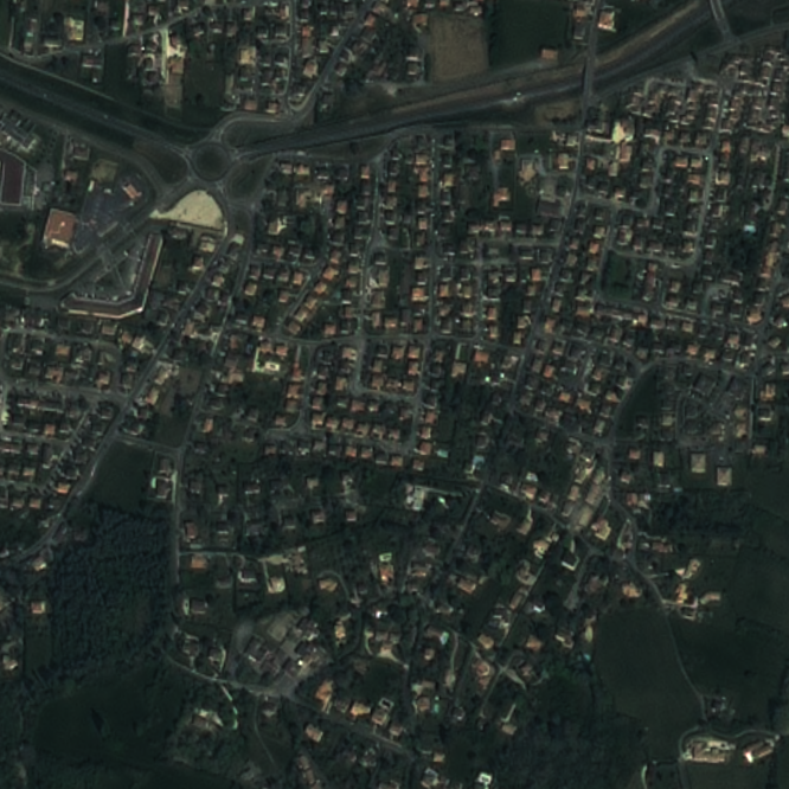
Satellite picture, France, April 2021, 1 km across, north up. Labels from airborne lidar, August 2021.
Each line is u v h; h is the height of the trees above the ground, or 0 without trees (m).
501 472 12
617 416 0
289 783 6
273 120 0
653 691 0
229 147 0
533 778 16
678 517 19
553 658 19
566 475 0
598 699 17
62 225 0
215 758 6
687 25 0
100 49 0
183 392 10
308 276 0
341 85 0
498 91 0
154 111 0
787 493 0
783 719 22
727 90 0
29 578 10
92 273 0
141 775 10
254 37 7
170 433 0
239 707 12
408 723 19
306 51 0
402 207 8
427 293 0
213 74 0
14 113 7
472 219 7
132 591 6
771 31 0
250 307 15
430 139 6
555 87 0
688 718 0
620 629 0
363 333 0
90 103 0
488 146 10
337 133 0
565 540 16
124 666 9
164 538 15
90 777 7
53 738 0
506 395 9
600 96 0
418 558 6
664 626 0
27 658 6
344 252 7
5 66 0
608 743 7
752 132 8
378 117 0
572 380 0
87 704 0
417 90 0
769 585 0
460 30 0
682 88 0
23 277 0
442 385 10
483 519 8
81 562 12
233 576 8
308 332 6
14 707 10
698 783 0
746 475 0
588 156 6
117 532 15
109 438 0
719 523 6
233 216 0
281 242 10
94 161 0
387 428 5
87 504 6
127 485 0
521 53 0
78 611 8
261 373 0
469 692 6
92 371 7
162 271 0
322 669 8
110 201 0
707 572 0
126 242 0
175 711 0
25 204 0
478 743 11
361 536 5
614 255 11
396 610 10
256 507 8
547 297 0
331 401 13
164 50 0
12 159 0
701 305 0
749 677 7
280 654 0
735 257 12
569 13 6
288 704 11
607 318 7
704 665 0
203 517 13
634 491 7
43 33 8
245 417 6
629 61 0
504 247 0
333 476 16
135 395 0
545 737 23
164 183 0
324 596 6
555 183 0
